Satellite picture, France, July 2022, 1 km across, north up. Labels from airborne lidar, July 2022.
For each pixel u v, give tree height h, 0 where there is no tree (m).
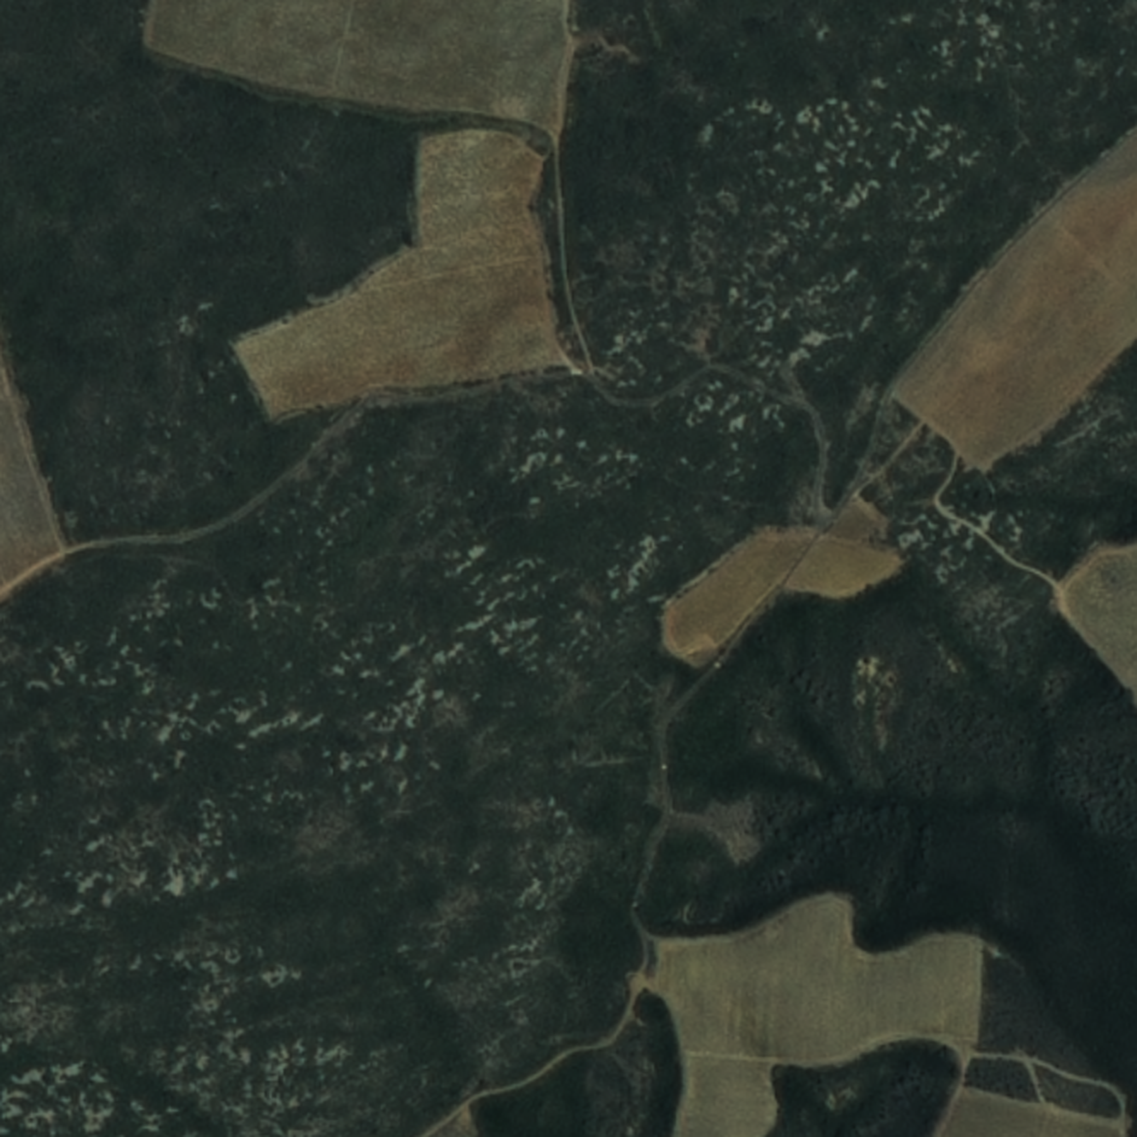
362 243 0
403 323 0
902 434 0
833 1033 0
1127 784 10
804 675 12
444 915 0
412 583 0
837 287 0
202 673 0
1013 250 0
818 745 8
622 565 0
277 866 0
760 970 0
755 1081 0
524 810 0
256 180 0
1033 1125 0
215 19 0
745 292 0
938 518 0
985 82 0
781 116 0
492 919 0
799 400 0
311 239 0
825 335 0
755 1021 0
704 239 0
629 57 0
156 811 0
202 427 0
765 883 8
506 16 0
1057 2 0
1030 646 9
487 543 0
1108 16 0
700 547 0
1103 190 0
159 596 0
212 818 0
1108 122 0
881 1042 0
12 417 0
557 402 0
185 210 0
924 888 10
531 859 0
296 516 0
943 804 8
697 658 0
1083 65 0
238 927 0
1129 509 5
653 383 0
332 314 0
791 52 0
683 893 8
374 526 9
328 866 0
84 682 0
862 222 0
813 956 0
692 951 0
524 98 0
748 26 5
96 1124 0
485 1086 10
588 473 0
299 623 0
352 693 0
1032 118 0
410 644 0
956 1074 10
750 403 0
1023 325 0
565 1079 5
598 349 0
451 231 0
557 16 0
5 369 0
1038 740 8
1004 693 8
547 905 0
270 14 0
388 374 0
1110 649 0
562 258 0
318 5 0
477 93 0
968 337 0
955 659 8
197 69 0
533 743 0
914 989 0
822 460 0
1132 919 6
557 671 0
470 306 0
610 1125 7
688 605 0
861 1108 8
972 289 0
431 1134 0
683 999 0
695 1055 0
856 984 0
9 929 0
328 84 0
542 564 0
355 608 0
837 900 0
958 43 0
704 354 0
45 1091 0
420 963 0
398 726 0
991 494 7
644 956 0
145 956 0
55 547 0
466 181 0
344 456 0
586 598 0
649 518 0
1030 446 0
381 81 0
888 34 0
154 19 0
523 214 0
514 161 0
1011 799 6
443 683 0
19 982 0
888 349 9
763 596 0
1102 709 8
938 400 0
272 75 0
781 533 0
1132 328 0
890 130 0
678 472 0
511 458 0
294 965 0
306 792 0
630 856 13
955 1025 0
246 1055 0
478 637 0
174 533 0
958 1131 0
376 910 0
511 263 0
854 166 0
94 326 0
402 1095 0
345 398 0
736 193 0
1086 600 0
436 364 0
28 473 0
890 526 0
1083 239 0
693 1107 0
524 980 0
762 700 9
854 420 0
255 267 0
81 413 0
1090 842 7
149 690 0
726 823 0
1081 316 0
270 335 0
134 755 0
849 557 0
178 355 0
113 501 0
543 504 0
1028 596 0
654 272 0
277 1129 0
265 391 0
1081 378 0
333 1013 0
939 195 0
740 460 0
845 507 0
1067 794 15
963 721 9
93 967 0
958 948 0
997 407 0
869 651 9
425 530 0
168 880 0
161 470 0
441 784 0
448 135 0
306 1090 0
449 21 0
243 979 0
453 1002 0
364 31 0
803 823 6
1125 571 0
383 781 0
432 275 0
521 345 0
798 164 0
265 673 0
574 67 0
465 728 0
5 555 0
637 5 0
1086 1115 0
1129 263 0
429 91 0
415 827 0
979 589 0
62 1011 0
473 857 0
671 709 0
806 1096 5
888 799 8
